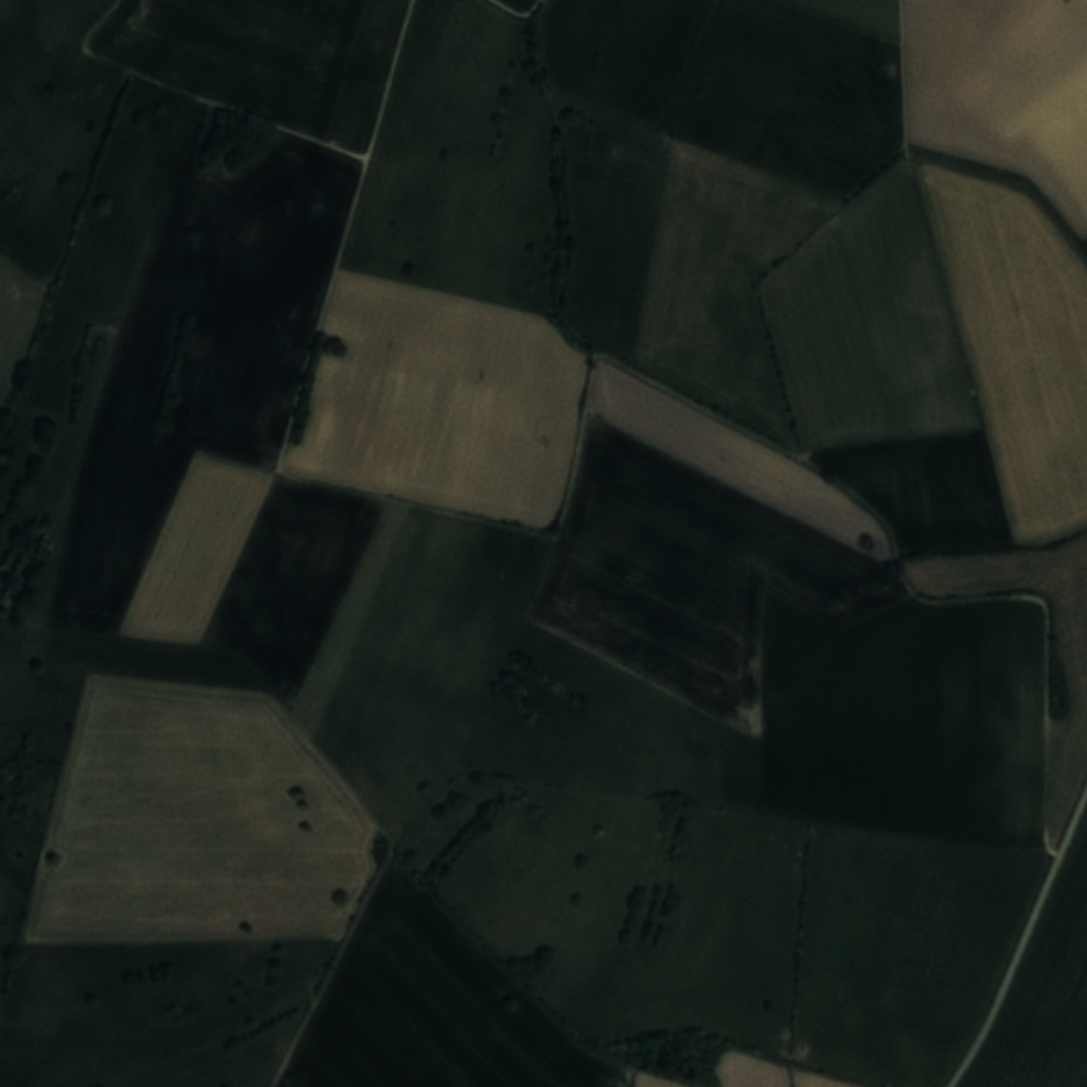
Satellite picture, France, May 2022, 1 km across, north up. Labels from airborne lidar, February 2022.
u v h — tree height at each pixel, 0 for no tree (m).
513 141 0
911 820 0
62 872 0
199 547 0
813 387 0
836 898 0
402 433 0
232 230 0
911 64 0
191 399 0
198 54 0
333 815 0
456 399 0
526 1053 0
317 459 0
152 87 0
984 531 0
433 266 0
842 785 0
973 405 0
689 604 0
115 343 0
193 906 0
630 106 0
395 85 0
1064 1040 0
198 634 0
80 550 0
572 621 0
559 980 0
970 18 0
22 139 0
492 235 0
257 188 0
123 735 0
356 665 0
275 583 0
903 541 0
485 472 0
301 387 8
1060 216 0
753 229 0
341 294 0
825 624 0
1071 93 0
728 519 0
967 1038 0
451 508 0
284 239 0
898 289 0
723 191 0
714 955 0
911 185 0
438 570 0
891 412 0
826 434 0
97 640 0
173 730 0
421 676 0
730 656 0
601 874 0
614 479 0
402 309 0
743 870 0
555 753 0
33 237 0
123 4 0
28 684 0
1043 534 0
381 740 0
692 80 0
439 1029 0
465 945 0
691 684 0
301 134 0
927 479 0
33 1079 0
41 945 0
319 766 0
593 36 0
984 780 0
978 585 0
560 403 0
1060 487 0
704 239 0
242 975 0
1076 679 0
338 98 0
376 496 0
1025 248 0
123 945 0
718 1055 7
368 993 0
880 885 0
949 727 0
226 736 0
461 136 0
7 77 0
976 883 0
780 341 0
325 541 0
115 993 0
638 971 0
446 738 0
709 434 0
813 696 0
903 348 0
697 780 0
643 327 0
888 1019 0
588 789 0
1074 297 0
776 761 0
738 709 0
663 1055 11
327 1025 0
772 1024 0
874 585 0
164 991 0
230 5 0
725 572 0
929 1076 0
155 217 0
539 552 0
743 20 0
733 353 0
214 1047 0
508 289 0
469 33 0
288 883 0
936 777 0
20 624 9
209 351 0
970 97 0
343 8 0
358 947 0
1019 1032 0
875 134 0
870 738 0
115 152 0
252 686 0
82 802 0
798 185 0
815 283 0
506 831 0
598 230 0
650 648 0
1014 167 0
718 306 0
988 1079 0
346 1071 0
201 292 0
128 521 0
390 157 0
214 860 0
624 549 0
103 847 0
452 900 0
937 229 0
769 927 0
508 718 0
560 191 13
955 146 0
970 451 0
